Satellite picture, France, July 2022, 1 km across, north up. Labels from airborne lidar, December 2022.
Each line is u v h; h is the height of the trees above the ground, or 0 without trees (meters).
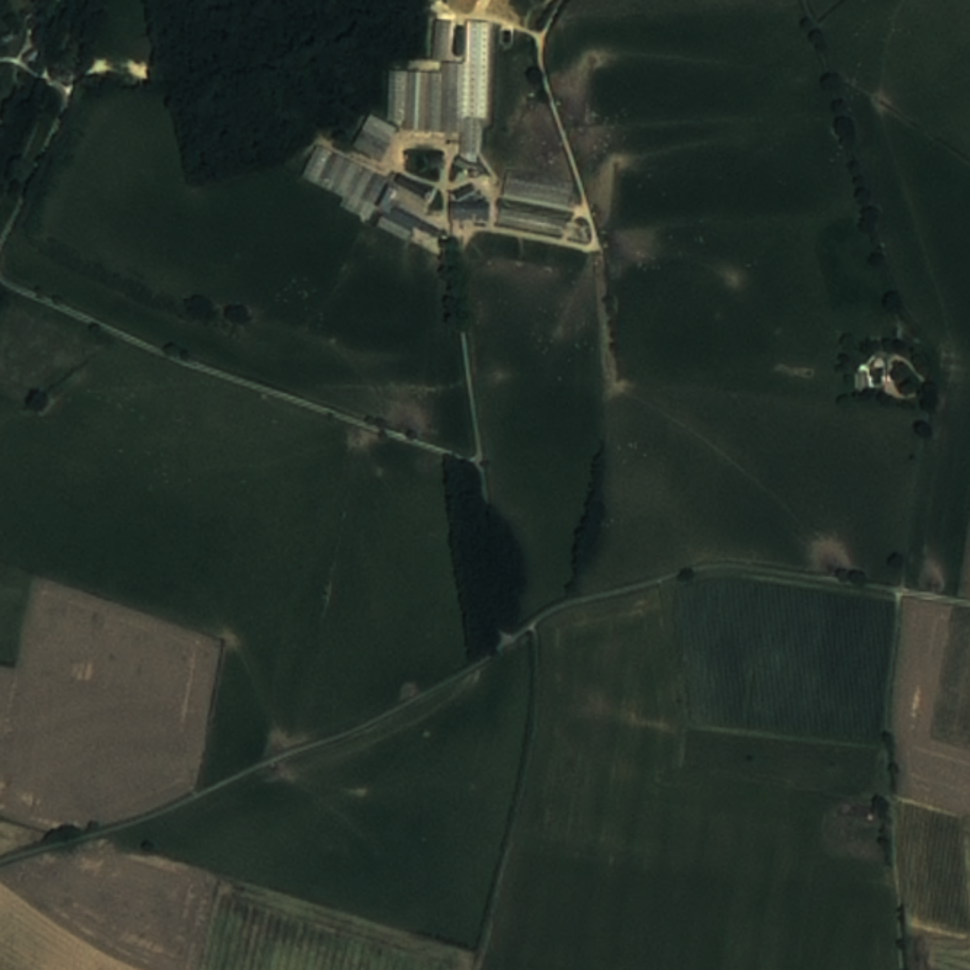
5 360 0
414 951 0
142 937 0
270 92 26
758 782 0
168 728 0
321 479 0
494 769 0
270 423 0
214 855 0
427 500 0
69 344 0
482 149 0
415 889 0
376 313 0
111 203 0
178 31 21
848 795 0
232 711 0
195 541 0
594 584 0
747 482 0
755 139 0
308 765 0
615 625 0
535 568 0
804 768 0
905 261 0
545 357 0
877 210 10
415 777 0
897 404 6
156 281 0
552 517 0
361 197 0
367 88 18
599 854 0
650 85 0
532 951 0
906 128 0
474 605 17
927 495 0
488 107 0
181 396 0
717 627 0
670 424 0
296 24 25
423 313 0
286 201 0
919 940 0
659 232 0
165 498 0
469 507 18
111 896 0
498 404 0
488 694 0
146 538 0
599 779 0
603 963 0
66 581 0
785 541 0
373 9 23
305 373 0
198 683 0
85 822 0
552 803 0
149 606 0
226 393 0
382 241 0
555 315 0
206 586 0
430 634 0
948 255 0
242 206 0
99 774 0
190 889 0
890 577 0
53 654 0
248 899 0
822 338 0
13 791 0
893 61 0
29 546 0
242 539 0
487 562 21
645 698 0
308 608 0
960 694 0
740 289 0
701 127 0
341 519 0
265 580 0
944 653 0
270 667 0
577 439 0
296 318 0
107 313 0
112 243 0
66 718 0
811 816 0
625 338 0
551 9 8
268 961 0
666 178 0
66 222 0
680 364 0
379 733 0
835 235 0
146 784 0
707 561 0
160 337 0
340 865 0
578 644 0
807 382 0
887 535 0
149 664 0
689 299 0
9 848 0
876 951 0
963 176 0
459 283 18
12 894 0
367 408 0
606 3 0
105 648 0
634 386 0
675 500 0
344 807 0
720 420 0
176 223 0
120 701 0
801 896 0
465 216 0
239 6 23
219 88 24
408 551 0
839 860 0
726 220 0
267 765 0
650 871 0
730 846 0
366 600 0
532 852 0
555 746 0
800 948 0
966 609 0
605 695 0
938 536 0
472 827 0
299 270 0
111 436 0
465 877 0
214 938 0
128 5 0
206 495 0
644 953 0
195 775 0
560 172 0
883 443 0
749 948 0
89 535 0
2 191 10
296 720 0
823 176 0
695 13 0
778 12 0
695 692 0
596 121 0
